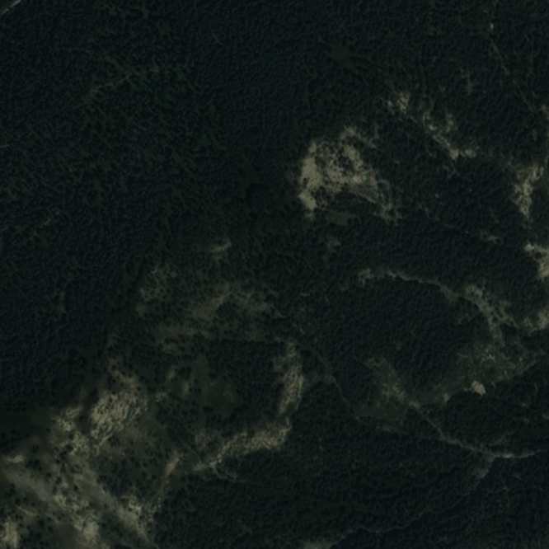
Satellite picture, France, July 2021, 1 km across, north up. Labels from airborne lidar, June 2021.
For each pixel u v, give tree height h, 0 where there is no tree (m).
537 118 19
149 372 0
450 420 28
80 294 24
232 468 18
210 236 17
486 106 28
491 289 9
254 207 25
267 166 30
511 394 20
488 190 32
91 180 19
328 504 11
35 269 27
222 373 26
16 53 7
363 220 25
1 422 0
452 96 21
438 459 23
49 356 17
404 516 27
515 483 26
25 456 0
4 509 9
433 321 20
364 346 24
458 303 6
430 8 15
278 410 12
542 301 11
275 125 19
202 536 22
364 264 23
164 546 14
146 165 17
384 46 15
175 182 19
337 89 24
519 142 16
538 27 30
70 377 20
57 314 14
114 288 16
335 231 14
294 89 17
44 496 0
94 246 21
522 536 8
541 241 16
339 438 17
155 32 20
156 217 26
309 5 22
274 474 21
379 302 23
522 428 14
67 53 24
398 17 26
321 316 19
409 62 25
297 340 19
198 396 13
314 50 24
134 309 12
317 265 28
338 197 11
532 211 8
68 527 0
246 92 22
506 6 16
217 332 16
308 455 14
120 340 18
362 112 25
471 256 33
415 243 26
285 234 29
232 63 29
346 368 25
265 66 23
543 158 6
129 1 18
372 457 18
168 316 13
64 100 20
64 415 0
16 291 29
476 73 24
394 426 6
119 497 17
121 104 23
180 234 21
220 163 30
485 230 19
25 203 23
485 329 15
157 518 19
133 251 10
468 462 11
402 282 29
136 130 25
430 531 21
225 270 19
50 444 0
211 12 22
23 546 9
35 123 26
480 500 19
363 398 18
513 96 10
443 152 10
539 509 23
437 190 16
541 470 17
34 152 22
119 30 24
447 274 16
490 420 9
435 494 20
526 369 24
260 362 29
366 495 37
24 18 25
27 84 26
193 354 12
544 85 17
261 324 16
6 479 0
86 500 0
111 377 13
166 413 23
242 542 29
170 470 0
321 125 24
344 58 0
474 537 15
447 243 24
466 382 44
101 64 9
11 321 23
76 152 17
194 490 29
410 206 21
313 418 20
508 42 15
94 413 0
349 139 10
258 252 22
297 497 8
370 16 24
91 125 16
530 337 5
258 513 22
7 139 17
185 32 23
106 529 14
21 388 14
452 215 20
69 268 15
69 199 24
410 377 15
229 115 29
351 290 15
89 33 22
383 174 13
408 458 23
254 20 22
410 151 23
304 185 7
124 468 10
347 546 24
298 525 20
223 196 28
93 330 21
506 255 22
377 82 26
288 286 18
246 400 22
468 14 19
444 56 22
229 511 19
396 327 22
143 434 0
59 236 24
